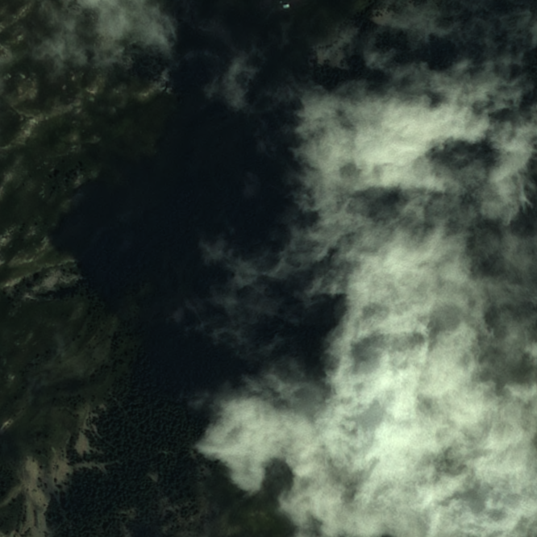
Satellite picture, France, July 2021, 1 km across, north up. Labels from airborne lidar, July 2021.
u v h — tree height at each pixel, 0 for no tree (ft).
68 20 0
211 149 0
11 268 0
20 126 0
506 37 62
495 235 0
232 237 21
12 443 0
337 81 53
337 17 0
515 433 0
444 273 0
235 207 52
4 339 0
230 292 50
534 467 0
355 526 0
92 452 28
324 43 0
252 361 27
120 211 0
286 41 0
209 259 20
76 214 0
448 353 0
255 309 33
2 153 0
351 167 66
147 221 19
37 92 0
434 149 57
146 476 31
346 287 35
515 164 0
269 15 0
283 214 48
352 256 41
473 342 0
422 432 0
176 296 0
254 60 0
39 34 0
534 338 0
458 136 50
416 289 23
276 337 35
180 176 0
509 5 66
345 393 0
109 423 38
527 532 0
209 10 0
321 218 26
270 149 24
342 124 30
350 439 0
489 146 21
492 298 0
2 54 0
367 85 55
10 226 0
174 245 24
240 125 0
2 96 0
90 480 39
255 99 37
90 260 49
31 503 0
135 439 53
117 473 30
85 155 0
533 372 0
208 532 0
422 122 46
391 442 0
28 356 0
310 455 0
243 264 41
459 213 27
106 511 37
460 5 61
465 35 81
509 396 0
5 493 41
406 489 0
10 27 0
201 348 26
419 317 0
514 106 52
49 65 0
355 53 31
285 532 0
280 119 22
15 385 0
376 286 40
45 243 0
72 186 0
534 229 0
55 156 0
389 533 0
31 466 0
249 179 19
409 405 0
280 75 0
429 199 51
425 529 0
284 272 43
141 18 0
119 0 0
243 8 0
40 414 0
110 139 0
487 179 42
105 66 0
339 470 0
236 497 0
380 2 21
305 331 52
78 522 40
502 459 0
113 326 0
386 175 43
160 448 37
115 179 0
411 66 29
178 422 53
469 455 0
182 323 20
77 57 0
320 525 0
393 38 52
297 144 23
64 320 0
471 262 0
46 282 0
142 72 21
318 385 0
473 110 66
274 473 0
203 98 0
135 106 0
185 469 33
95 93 0
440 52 70
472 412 0
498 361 0
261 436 19
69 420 0
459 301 0
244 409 44
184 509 22
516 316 0
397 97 40
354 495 0
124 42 0
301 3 0
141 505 25
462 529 0
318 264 58
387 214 29
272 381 30
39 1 0
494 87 62
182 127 0
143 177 0
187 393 37
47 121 0
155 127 0
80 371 0
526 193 0
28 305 0
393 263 27
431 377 0
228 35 0
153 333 24
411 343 0
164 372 51
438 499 0
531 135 0
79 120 0
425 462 0
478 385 0
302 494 0
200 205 20
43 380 0
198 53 0
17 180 0
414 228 46
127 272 49
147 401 52
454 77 61
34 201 0
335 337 35
